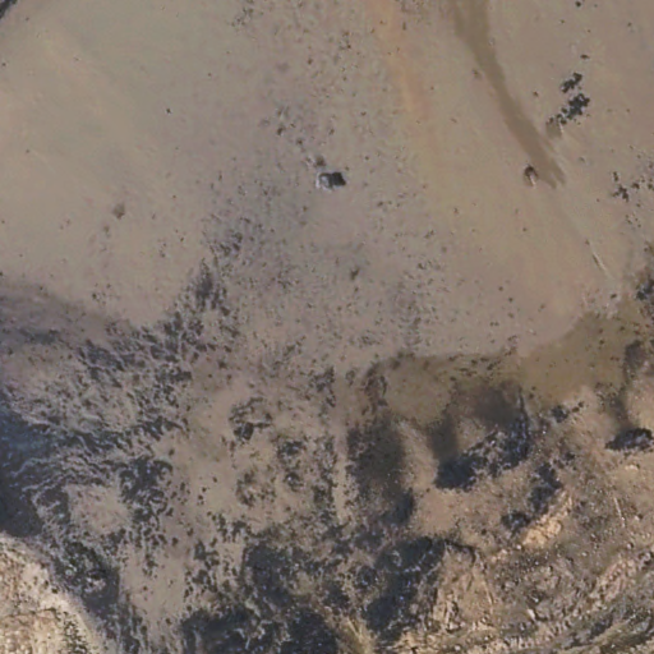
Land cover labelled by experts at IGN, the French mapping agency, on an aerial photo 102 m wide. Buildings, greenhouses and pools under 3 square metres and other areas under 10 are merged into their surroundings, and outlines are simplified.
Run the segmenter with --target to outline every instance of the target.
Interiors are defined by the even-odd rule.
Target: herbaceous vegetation
[[[291,641],[284,646],[281,654],[340,654],[340,631],[330,628],[322,616],[301,611],[289,623]]]
[[[416,508],[414,491],[406,488],[393,511],[396,524],[406,524]]]
[[[399,605],[414,603],[419,582],[416,565],[429,570],[437,562],[442,562],[445,547],[437,536],[416,536],[404,549],[404,565],[399,567],[393,582],[378,600],[368,605],[368,613],[363,616],[370,634],[376,634],[396,616]]]
[[[468,491],[475,485],[473,473],[483,465],[485,457],[460,452],[455,460],[447,460],[437,468],[439,488]]]

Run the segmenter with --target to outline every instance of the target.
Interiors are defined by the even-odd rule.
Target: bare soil
[[[475,485],[468,491],[439,488],[437,468],[447,460],[455,460],[460,452],[485,457],[483,465],[473,473]],[[406,488],[414,491],[416,508],[406,524],[396,524],[393,511]],[[368,605],[378,600],[393,582],[399,567],[404,565],[404,549],[416,536],[437,536],[445,547],[442,562],[437,562],[429,570],[416,565],[419,582],[414,603],[399,605],[396,616],[376,634],[370,634],[363,616],[368,613]],[[654,0],[0,0],[0,654],[281,654],[284,646],[291,641],[289,623],[301,611],[322,616],[330,628],[340,631],[340,654],[654,654]]]

